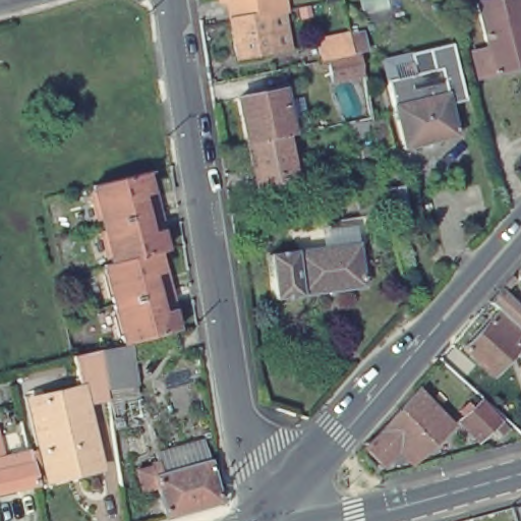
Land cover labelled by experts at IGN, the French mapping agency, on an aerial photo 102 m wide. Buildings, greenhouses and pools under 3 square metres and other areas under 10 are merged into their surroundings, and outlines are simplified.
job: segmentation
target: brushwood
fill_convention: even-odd
[[[252,360],[252,374],[261,405],[269,409],[287,407],[295,413],[301,413],[305,407],[301,401],[277,395],[273,379],[263,360]]]
[[[53,368],[63,358],[73,358],[79,354],[73,348],[69,348],[39,358],[24,358],[20,362],[12,362],[16,370],[0,374],[0,413],[8,411],[10,419],[18,423],[20,423],[26,415],[24,401],[18,379],[45,368]]]
[[[470,98],[498,204],[498,211],[486,224],[484,228],[490,232],[509,216],[509,204],[490,138],[476,90],[478,79],[472,55],[464,57],[462,61]]]
[[[222,106],[216,104],[214,124],[220,157],[230,149],[224,128]]]
[[[366,448],[358,450],[358,464],[372,476],[379,476],[381,470],[368,458]]]
[[[497,442],[488,440],[478,444],[462,454],[436,458],[431,462],[427,458],[423,458],[419,464],[411,464],[407,468],[407,474],[425,472],[438,466],[486,454],[488,450],[497,448]]]

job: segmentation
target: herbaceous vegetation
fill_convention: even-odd
[[[403,291],[411,293],[413,287],[399,273],[395,254],[377,250],[366,232],[362,234],[368,271],[366,275],[372,277],[372,283],[366,291],[354,293],[356,305],[352,309],[326,311],[324,324],[332,326],[334,320],[346,320],[356,328],[356,342],[360,344],[354,352],[354,360],[358,362],[403,322],[399,313],[395,313],[397,301],[385,299],[385,295],[381,295],[379,291],[379,285],[387,277],[391,277],[393,283]]]
[[[497,413],[501,417],[509,417],[513,423],[521,427],[521,370],[517,374],[515,370],[507,370],[499,379],[493,379],[484,368],[472,368],[468,374],[468,383],[472,387],[488,393],[486,399],[497,409]]]
[[[0,374],[16,370],[12,362],[20,362],[24,358],[39,358],[69,348],[73,348],[79,354],[98,350],[96,342],[102,342],[108,334],[102,332],[100,320],[79,326],[73,320],[67,320],[63,311],[59,311],[53,305],[51,293],[55,293],[57,275],[65,271],[67,277],[77,279],[83,287],[85,297],[90,297],[96,303],[96,307],[102,313],[112,309],[112,305],[110,301],[104,299],[102,285],[94,277],[90,273],[90,265],[96,263],[92,254],[92,244],[96,242],[94,238],[69,240],[63,236],[61,230],[65,226],[75,226],[77,222],[96,220],[94,210],[88,206],[88,197],[94,187],[120,181],[126,177],[136,177],[142,173],[155,173],[155,195],[163,199],[171,236],[179,238],[181,226],[179,216],[171,214],[169,210],[165,193],[167,157],[171,153],[169,136],[165,134],[161,114],[163,104],[159,96],[159,73],[155,65],[151,18],[149,10],[140,4],[142,0],[73,0],[75,4],[69,12],[65,12],[61,6],[53,6],[53,10],[0,20]],[[26,128],[18,120],[20,106],[24,106],[28,102],[28,94],[35,88],[41,88],[43,83],[53,94],[67,98],[73,104],[75,114],[81,116],[81,136],[69,138],[59,153],[33,151],[26,144]]]
[[[423,291],[433,291],[436,283],[427,271],[436,267],[440,258],[448,256],[446,248],[442,246],[438,226],[431,234],[425,236],[411,234],[407,230],[415,271],[421,279]]]
[[[242,138],[242,134],[246,132],[246,120],[242,98],[236,102],[220,98],[216,100],[216,104],[222,106],[224,128],[230,149],[242,147],[246,142]]]
[[[305,6],[305,0],[287,0],[289,26],[293,35],[303,26],[305,20],[299,16],[299,8]]]
[[[73,497],[71,482],[57,484],[51,488],[55,495],[49,497],[45,511],[39,515],[39,521],[92,521],[88,513],[79,509]]]
[[[159,446],[161,450],[175,450],[201,442],[210,448],[210,452],[218,450],[220,446],[210,444],[210,436],[204,429],[204,419],[189,411],[191,401],[197,399],[193,383],[201,366],[206,364],[206,362],[201,358],[181,360],[177,364],[179,370],[169,374],[165,381],[163,403],[155,401],[159,391],[153,391],[151,387],[147,391],[138,389],[116,389],[110,383],[110,399],[116,413],[114,419],[120,462],[126,460],[128,452],[138,452],[144,452],[147,446]]]
[[[31,450],[37,450],[39,444],[35,442],[31,421],[26,415],[20,423],[24,427],[24,436]]]
[[[208,53],[218,59],[226,59],[234,51],[230,22],[222,28],[206,28]]]
[[[320,14],[307,20],[311,28],[317,28],[326,37],[347,33],[342,0],[340,0],[336,4],[336,12],[332,18]]]
[[[470,393],[456,377],[448,372],[446,364],[436,362],[433,366],[423,370],[421,381],[413,385],[407,397],[397,405],[397,411],[391,413],[381,423],[381,427],[368,438],[370,444],[383,436],[383,431],[399,417],[399,413],[405,411],[409,401],[423,389],[429,393],[429,397],[440,391],[454,403],[458,411],[462,411],[468,405],[466,399]]]
[[[169,267],[177,265],[181,287],[189,287],[189,242],[181,246],[181,254],[171,250],[167,254],[167,261]]]
[[[438,165],[433,165],[425,161],[423,155],[413,155],[404,151],[393,120],[393,108],[385,104],[383,96],[370,102],[374,118],[362,118],[352,124],[346,122],[342,102],[332,96],[332,88],[328,79],[328,71],[332,71],[330,61],[320,57],[287,57],[240,59],[234,69],[222,69],[220,75],[222,81],[234,81],[261,73],[265,73],[267,77],[291,73],[295,85],[299,94],[309,98],[307,112],[297,116],[295,144],[299,159],[305,155],[307,144],[328,144],[330,149],[336,149],[338,153],[344,153],[348,157],[366,159],[370,157],[368,147],[381,142],[389,157],[417,169],[417,187],[413,191],[427,195],[427,175],[438,173],[440,179],[446,181],[450,169],[462,169],[464,183],[468,187],[480,187],[486,210],[486,224],[498,211],[498,204],[470,98],[466,98],[466,104],[458,106],[460,126],[466,128],[466,138],[466,140],[470,155],[464,157],[460,163],[450,163],[444,157],[438,161]]]
[[[438,4],[433,0],[405,0],[399,10],[401,18],[385,20],[377,24],[372,33],[372,41],[368,41],[370,53],[362,55],[366,73],[368,81],[381,79],[387,83],[383,63],[387,57],[397,57],[452,43],[436,24],[433,16],[438,12]]]
[[[297,250],[297,244],[293,242],[295,238],[289,238],[289,232],[285,228],[279,228],[279,232],[269,238],[267,252],[271,254]]]
[[[313,340],[315,332],[309,328],[309,311],[315,307],[315,301],[307,299],[301,305],[299,301],[289,301],[285,305],[271,291],[263,297],[269,301],[269,307],[273,309],[273,315],[277,317],[285,336],[297,342]]]
[[[466,344],[472,350],[476,348],[474,340],[482,336],[480,326],[472,326],[466,332],[466,336],[456,342],[458,348]]]
[[[364,189],[356,191],[356,197],[348,204],[350,212],[344,212],[342,216],[364,218],[374,208],[374,201],[368,197]]]
[[[521,136],[521,67],[507,71],[495,79],[478,79],[476,90],[490,138],[507,134],[513,140]]]
[[[8,411],[0,413],[0,431],[14,433],[18,423],[10,419]]]
[[[478,444],[466,444],[466,431],[458,431],[456,438],[448,436],[446,440],[436,442],[431,446],[436,454],[427,458],[431,462],[436,458],[462,454]]]
[[[273,379],[277,395],[301,401],[305,407],[315,405],[315,399],[322,395],[309,393],[301,385],[287,379]]]

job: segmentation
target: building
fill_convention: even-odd
[[[404,151],[466,138],[466,128],[460,126],[458,106],[466,104],[466,98],[470,98],[462,61],[456,43],[452,43],[397,57],[387,57],[383,63],[387,83],[383,96],[385,104],[393,108],[393,120]]]
[[[220,472],[210,452],[210,448],[201,442],[175,450],[161,450],[157,452],[155,466],[138,470],[138,480],[142,488],[159,493],[159,501],[151,507],[149,513],[163,513],[163,521],[169,521],[226,505],[228,499],[228,495],[222,495]]]
[[[301,305],[307,299],[315,301],[317,297],[326,295],[354,293],[366,291],[372,283],[372,277],[366,275],[368,271],[362,234],[366,232],[364,222],[360,226],[330,228],[328,234],[322,238],[326,240],[326,244],[320,250],[297,250],[271,254],[267,261],[271,291],[285,305],[289,301],[299,301]]]
[[[521,521],[521,509],[512,510],[513,513],[515,513],[515,521]]]
[[[305,6],[299,8],[299,16],[305,20],[307,20],[320,14],[332,18],[336,12],[336,4],[340,0],[305,0]]]
[[[155,195],[155,173],[142,173],[136,177],[126,177],[120,181],[94,187],[88,197],[88,206],[94,210],[96,220],[104,224],[102,232],[104,252],[108,258],[96,263],[90,265],[90,273],[94,277],[102,271],[108,273],[110,287],[114,291],[114,297],[110,301],[112,305],[118,309],[118,322],[124,332],[122,340],[122,348],[98,350],[79,354],[73,358],[77,377],[75,387],[35,395],[24,401],[26,415],[31,421],[35,442],[39,444],[37,450],[31,450],[16,456],[6,456],[0,444],[0,501],[31,501],[37,488],[51,488],[57,484],[71,482],[94,474],[102,474],[108,464],[94,413],[96,405],[102,405],[106,413],[114,458],[114,474],[118,478],[122,476],[120,462],[114,419],[116,413],[110,399],[110,383],[116,389],[138,389],[140,362],[134,352],[136,344],[159,340],[167,334],[185,330],[183,315],[177,309],[179,301],[185,297],[181,293],[181,287],[177,265],[169,267],[167,261],[167,254],[171,250],[171,236],[163,199]]]
[[[370,444],[366,448],[368,458],[381,470],[411,464],[419,464],[423,458],[427,458],[436,454],[431,446],[436,442],[446,440],[448,436],[456,438],[458,431],[466,431],[466,444],[478,444],[488,440],[497,442],[505,438],[521,440],[521,427],[513,423],[509,417],[501,417],[497,413],[497,409],[486,399],[488,393],[472,387],[468,383],[468,374],[472,368],[484,368],[493,379],[499,379],[507,370],[515,370],[517,374],[521,370],[521,289],[513,287],[509,297],[503,295],[493,303],[493,309],[499,311],[497,326],[480,326],[482,336],[474,340],[476,348],[472,350],[466,344],[458,348],[460,354],[450,358],[446,364],[448,372],[456,377],[470,393],[466,399],[468,405],[462,411],[458,411],[454,403],[440,391],[429,397],[429,393],[423,389],[409,401],[405,411],[399,413],[399,417],[383,431],[383,436]]]
[[[478,0],[478,28],[476,37],[468,41],[472,55],[478,79],[495,79],[507,71],[521,67],[521,0]]]
[[[240,59],[287,57],[295,47],[293,35],[289,26],[287,0],[232,0],[228,4],[230,22],[234,51]]]
[[[320,57],[330,61],[332,71],[328,71],[328,79],[332,88],[350,83],[366,73],[362,55],[370,53],[368,41],[372,41],[372,33],[362,26],[352,24],[352,31],[347,33],[326,37],[317,47]]]
[[[395,179],[389,181],[389,193],[393,199],[399,199],[407,187],[399,179]]]
[[[242,134],[242,138],[246,142],[250,149],[250,161],[254,165],[256,183],[273,181],[277,185],[283,185],[285,181],[299,179],[299,159],[295,144],[297,116],[307,112],[309,98],[299,94],[295,85],[258,94],[250,94],[246,90],[242,92],[242,98],[246,120],[246,132]]]

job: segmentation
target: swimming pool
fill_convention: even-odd
[[[332,96],[342,102],[346,122],[352,124],[362,118],[358,96],[350,83],[332,88]]]
[[[364,12],[389,10],[389,0],[362,0]]]

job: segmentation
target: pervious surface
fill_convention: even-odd
[[[157,452],[161,450],[159,446],[147,446],[144,452],[138,452],[138,470],[155,466]]]
[[[39,521],[39,515],[39,511],[35,511],[35,503],[31,501],[0,501],[0,521]]]
[[[470,155],[466,140],[456,142],[444,157],[450,163],[460,163],[464,157]]]
[[[238,507],[238,501],[234,497],[228,499],[226,505],[169,521],[218,521],[236,511]]]
[[[149,364],[140,362],[138,389],[147,391],[151,387],[153,391],[159,391],[155,401],[163,403],[165,381],[169,374],[163,372],[161,366],[167,364],[169,358],[159,358],[155,370],[149,370]]]
[[[295,47],[287,57],[320,57],[317,47]]]
[[[220,75],[222,69],[234,69],[240,59],[234,51],[226,59],[218,59],[216,69]]]
[[[513,201],[513,195],[521,197],[521,136],[513,140],[507,134],[490,138],[509,204]]]

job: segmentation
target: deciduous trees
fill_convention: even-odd
[[[362,26],[366,22],[364,12],[362,0],[342,0],[347,33],[352,31],[352,24]]]
[[[63,311],[67,320],[73,320],[79,326],[100,320],[102,313],[96,307],[96,303],[90,297],[85,297],[83,287],[77,279],[67,277],[65,271],[57,275],[55,293],[51,293],[53,305],[59,311]]]
[[[102,232],[104,224],[96,220],[77,222],[75,226],[65,226],[61,230],[63,236],[69,240],[94,238],[94,234]]]
[[[427,175],[427,195],[413,191],[417,187],[417,169],[389,157],[381,142],[368,147],[370,157],[366,159],[348,157],[344,153],[338,153],[336,149],[330,149],[328,144],[307,144],[305,155],[299,159],[299,179],[285,181],[283,185],[277,185],[273,181],[256,183],[254,165],[250,161],[250,149],[246,142],[242,147],[230,149],[220,157],[224,167],[240,179],[236,185],[230,187],[230,195],[226,197],[224,208],[226,216],[234,214],[234,220],[230,222],[230,248],[238,265],[238,285],[242,295],[242,311],[246,320],[246,336],[252,360],[263,360],[273,379],[287,379],[301,385],[309,393],[322,395],[330,397],[358,362],[354,360],[354,352],[360,344],[356,342],[356,328],[346,320],[334,320],[332,326],[324,324],[326,311],[352,309],[356,305],[354,293],[326,295],[317,297],[315,301],[315,307],[309,311],[309,328],[315,332],[313,340],[297,342],[285,336],[277,317],[273,315],[273,309],[269,307],[269,301],[263,297],[271,291],[267,261],[271,254],[267,252],[269,238],[279,232],[279,228],[285,228],[289,232],[332,226],[334,220],[342,216],[344,212],[350,212],[348,204],[356,197],[356,191],[364,189],[368,197],[374,201],[374,208],[364,218],[364,222],[366,232],[377,250],[395,254],[399,273],[413,287],[411,293],[403,291],[393,283],[391,277],[387,277],[379,285],[379,291],[381,295],[385,295],[385,299],[397,301],[395,313],[399,313],[403,322],[415,315],[423,315],[433,305],[433,297],[442,297],[442,293],[450,287],[450,283],[456,277],[456,267],[448,256],[440,258],[436,267],[427,271],[436,283],[433,291],[423,291],[421,279],[415,271],[407,230],[411,234],[425,236],[431,234],[438,226],[431,222],[431,210],[425,210],[425,204],[431,197],[440,197],[442,189],[450,191],[450,195],[456,195],[460,191],[466,191],[468,187],[464,183],[462,169],[450,169],[446,181],[440,179],[438,173]],[[393,199],[389,193],[389,181],[395,179],[399,179],[407,187],[399,199]]]
[[[191,401],[189,411],[204,419],[204,429],[210,436],[210,444],[220,446],[210,374],[206,364],[201,366],[193,383],[197,399]]]
[[[96,342],[98,350],[122,348],[122,340],[116,340],[112,334],[108,334],[102,342]]]
[[[163,372],[169,374],[179,370],[177,364],[181,360],[201,358],[206,362],[206,344],[199,344],[193,332],[185,330],[167,334],[159,340],[136,344],[134,352],[140,362],[149,364],[149,370],[155,370],[159,358],[169,358],[167,364],[161,366]]]
[[[28,102],[24,106],[20,106],[18,120],[26,128],[26,144],[33,151],[59,153],[69,138],[81,136],[81,116],[75,114],[73,104],[67,98],[53,94],[43,83],[41,88],[35,88],[28,94]]]
[[[138,452],[128,452],[126,460],[120,462],[122,476],[124,507],[118,513],[124,521],[163,521],[163,513],[149,513],[151,507],[159,501],[159,493],[142,488],[138,480],[138,470]]]
[[[37,488],[31,501],[35,503],[35,511],[39,511],[39,515],[45,511],[49,497],[55,495],[51,488]]]
[[[381,79],[368,81],[370,102],[383,96],[387,83]]]
[[[484,242],[488,242],[490,232],[484,228],[486,224],[486,210],[470,214],[462,222],[462,228],[464,234],[478,234]]]
[[[476,37],[478,28],[478,0],[433,0],[438,4],[438,12],[433,16],[436,24],[452,43],[456,43],[462,61],[464,57],[472,55],[468,41]]]
[[[303,26],[293,35],[295,47],[317,47],[326,37],[317,28],[311,28],[307,20],[305,20]]]

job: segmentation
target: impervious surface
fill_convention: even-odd
[[[35,395],[75,387],[77,377],[73,358],[63,358],[53,368],[45,368],[18,379],[24,401]]]
[[[289,232],[289,238],[295,238],[293,242],[297,244],[297,250],[320,250],[326,244],[326,240],[322,238],[328,234],[330,228],[360,226],[364,222],[364,218],[342,216],[334,220],[332,226]]]
[[[6,456],[16,456],[31,450],[24,436],[24,427],[20,423],[18,423],[14,433],[0,431],[0,444]]]
[[[401,18],[399,10],[405,0],[389,0],[389,10],[364,12],[366,22],[362,26],[372,33],[377,24],[385,20]]]
[[[415,315],[403,322],[358,362],[330,397],[322,395],[315,399],[315,405],[305,407],[301,413],[295,413],[287,407],[269,409],[261,405],[252,374],[252,360],[246,336],[246,320],[242,311],[242,295],[238,285],[238,265],[230,248],[230,222],[234,220],[234,214],[226,216],[224,208],[226,197],[230,195],[230,187],[236,185],[240,179],[224,167],[220,157],[214,124],[216,104],[216,100],[220,98],[236,102],[242,98],[242,92],[246,90],[250,94],[258,94],[295,85],[291,73],[267,77],[265,73],[261,73],[234,81],[222,81],[220,75],[216,69],[218,59],[208,53],[206,28],[222,28],[230,22],[228,4],[232,0],[142,0],[140,4],[149,10],[151,18],[155,65],[159,73],[159,96],[163,104],[161,114],[165,134],[169,136],[171,153],[167,157],[165,193],[169,210],[171,214],[179,216],[181,226],[179,238],[171,236],[171,250],[181,254],[181,246],[189,242],[189,287],[181,287],[181,293],[185,297],[179,301],[177,309],[183,315],[185,330],[193,332],[199,344],[206,344],[206,362],[206,364],[210,374],[220,446],[218,450],[210,452],[220,472],[222,495],[228,495],[228,499],[234,497],[238,501],[238,507],[236,511],[218,521],[515,521],[515,513],[513,513],[512,510],[521,509],[521,440],[505,438],[497,442],[497,448],[488,450],[486,454],[438,466],[425,472],[407,474],[407,468],[411,464],[381,470],[379,476],[372,476],[358,464],[358,450],[366,448],[370,444],[368,438],[381,427],[381,423],[391,413],[397,411],[397,405],[407,397],[413,385],[421,381],[423,370],[433,366],[436,362],[446,364],[450,358],[460,354],[458,348],[456,342],[466,336],[466,332],[472,326],[480,326],[497,326],[499,311],[493,309],[493,303],[503,295],[509,297],[513,287],[521,289],[521,197],[513,195],[513,201],[509,204],[509,216],[490,232],[488,242],[484,242],[478,234],[464,234],[462,228],[462,222],[470,214],[486,210],[480,187],[468,187],[466,191],[460,191],[456,195],[450,195],[450,191],[442,189],[440,197],[431,197],[425,204],[425,210],[431,210],[431,222],[438,226],[442,246],[446,248],[448,256],[456,267],[456,277],[450,283],[450,287],[442,293],[442,297],[433,297],[433,305],[423,315]]]
[[[438,165],[438,161],[444,157],[456,142],[466,140],[466,138],[404,151],[413,155],[423,155],[425,161],[433,165]]]
[[[366,73],[350,83],[358,96],[362,118],[374,118],[370,102],[368,81]]]
[[[114,291],[110,287],[108,273],[102,271],[94,277],[102,285],[104,299],[110,301],[114,297]]]
[[[102,232],[94,234],[94,238],[96,242],[92,244],[92,254],[96,263],[108,258],[104,252]]]
[[[53,6],[61,6],[65,12],[69,12],[75,4],[73,0],[0,0],[0,20],[53,10]]]
[[[102,313],[100,320],[102,332],[108,334],[112,334],[116,340],[122,340],[124,332],[118,322],[118,309],[112,305],[112,309]]]
[[[124,521],[118,513],[124,507],[122,476],[118,478],[114,474],[114,458],[106,413],[102,405],[96,405],[94,413],[108,464],[102,474],[94,474],[71,482],[73,497],[79,509],[88,513],[92,521]]]

